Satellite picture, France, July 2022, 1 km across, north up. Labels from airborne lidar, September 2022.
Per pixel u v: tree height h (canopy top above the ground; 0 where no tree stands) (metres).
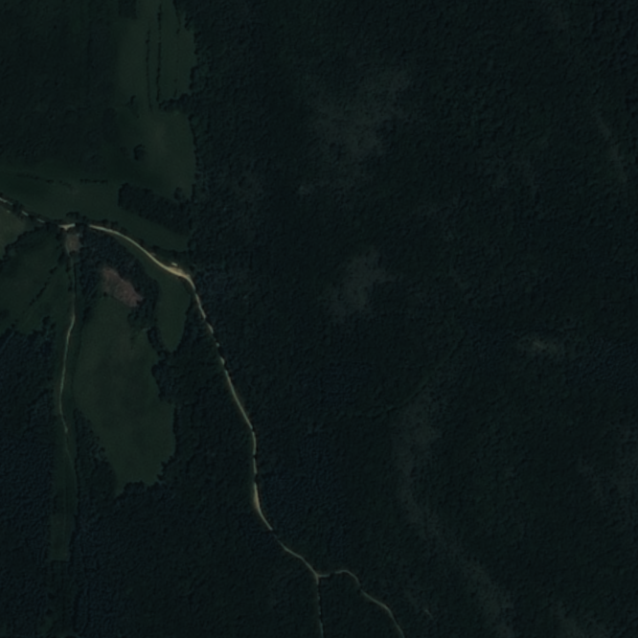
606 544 13
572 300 18
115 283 0
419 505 7
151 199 12
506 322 15
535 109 17
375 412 15
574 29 19
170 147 0
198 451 15
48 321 13
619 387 20
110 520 20
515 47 18
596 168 17
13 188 0
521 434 14
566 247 10
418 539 14
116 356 0
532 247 18
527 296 18
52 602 19
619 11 7
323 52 8
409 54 17
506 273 12
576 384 19
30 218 8
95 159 8
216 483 9
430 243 15
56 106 7
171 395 25
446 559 7
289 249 17
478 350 19
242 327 17
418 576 13
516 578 17
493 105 13
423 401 7
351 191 7
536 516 13
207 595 22
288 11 9
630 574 16
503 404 13
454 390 12
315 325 21
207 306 14
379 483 15
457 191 14
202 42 14
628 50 25
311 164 9
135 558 23
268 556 12
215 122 21
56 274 8
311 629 15
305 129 7
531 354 7
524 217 13
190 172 0
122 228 12
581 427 17
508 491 11
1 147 9
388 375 14
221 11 7
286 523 19
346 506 16
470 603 8
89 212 0
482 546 14
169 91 0
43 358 20
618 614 15
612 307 11
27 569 23
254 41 11
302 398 16
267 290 10
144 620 17
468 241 13
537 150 12
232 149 10
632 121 27
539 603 17
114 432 0
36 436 22
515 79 13
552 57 14
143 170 0
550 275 14
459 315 15
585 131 10
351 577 17
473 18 14
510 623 9
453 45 9
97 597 24
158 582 20
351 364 20
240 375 16
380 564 12
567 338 9
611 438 13
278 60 11
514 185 12
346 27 7
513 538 12
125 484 0
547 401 16
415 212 8
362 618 15
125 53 0
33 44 6
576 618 6
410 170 15
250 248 17
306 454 24
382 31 11
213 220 15
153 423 0
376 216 10
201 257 16
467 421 17
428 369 10
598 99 19
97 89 8
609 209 14
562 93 19
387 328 14
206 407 14
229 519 18
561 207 7
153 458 0
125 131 0
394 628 11
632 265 15
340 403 22
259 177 7
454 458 18
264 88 13
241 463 19
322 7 7
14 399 19
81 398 0
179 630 20
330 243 14
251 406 12
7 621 24
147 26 0
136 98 8
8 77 5
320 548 19
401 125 14
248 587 11
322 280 16
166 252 8
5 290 0
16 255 6
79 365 0
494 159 13
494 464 6
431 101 14
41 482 24
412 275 12
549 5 6
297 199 12
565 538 14
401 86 7
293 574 8
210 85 19
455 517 10
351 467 15
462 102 6
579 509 12
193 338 16
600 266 15
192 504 9
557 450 13
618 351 18
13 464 25
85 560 20
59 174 0
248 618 15
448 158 15
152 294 22
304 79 8
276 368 15
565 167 14
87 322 11
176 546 18
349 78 8
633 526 12
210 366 18
